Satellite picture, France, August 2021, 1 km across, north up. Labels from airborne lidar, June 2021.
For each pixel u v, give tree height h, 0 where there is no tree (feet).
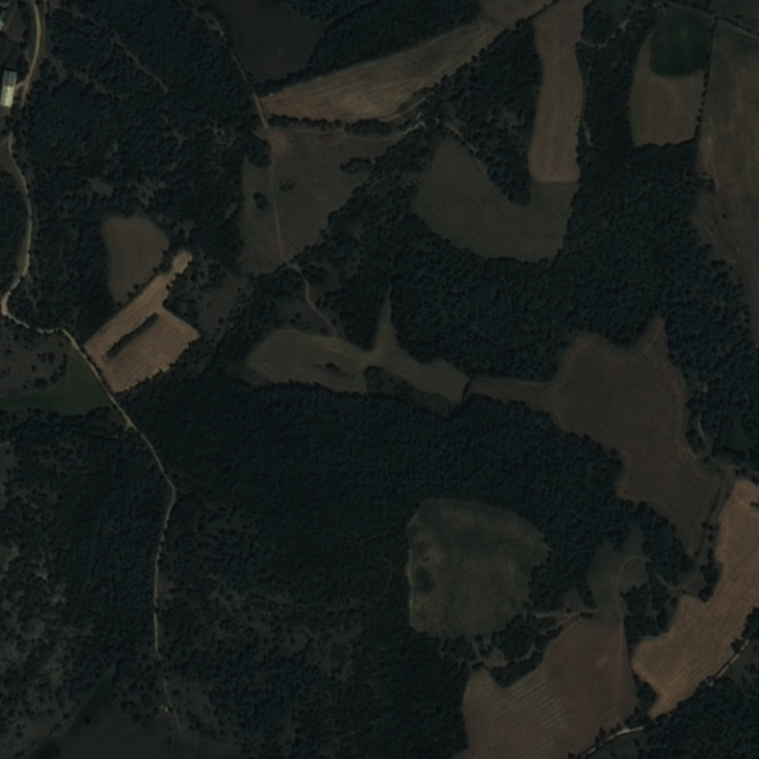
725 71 0
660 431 0
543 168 0
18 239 26
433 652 22
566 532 32
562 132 0
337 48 34
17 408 0
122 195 46
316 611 19
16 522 28
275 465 39
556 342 33
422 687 27
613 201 41
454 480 47
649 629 17
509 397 0
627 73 33
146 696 31
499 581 0
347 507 29
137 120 33
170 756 0
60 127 53
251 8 0
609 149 43
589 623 0
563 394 0
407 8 35
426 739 33
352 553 22
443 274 39
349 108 0
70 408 0
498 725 0
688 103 0
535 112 27
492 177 22
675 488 0
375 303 40
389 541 23
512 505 31
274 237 0
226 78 34
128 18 41
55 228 30
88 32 29
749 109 0
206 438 44
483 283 48
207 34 47
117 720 0
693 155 38
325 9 48
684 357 33
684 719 24
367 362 0
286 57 0
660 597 33
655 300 23
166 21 35
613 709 0
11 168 0
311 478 43
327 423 43
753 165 0
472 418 58
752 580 0
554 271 23
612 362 0
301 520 34
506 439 41
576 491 21
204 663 25
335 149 0
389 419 42
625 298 36
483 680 0
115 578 41
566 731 0
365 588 23
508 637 35
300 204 0
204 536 30
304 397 37
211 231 38
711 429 52
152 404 35
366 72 0
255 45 0
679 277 52
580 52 19
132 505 38
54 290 39
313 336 0
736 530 0
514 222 0
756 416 59
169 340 0
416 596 0
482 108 28
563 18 0
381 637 21
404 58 0
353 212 28
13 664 18
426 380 0
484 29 0
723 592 0
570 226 36
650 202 47
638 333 30
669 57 0
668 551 47
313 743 38
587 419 0
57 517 29
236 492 24
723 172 0
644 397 0
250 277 19
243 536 23
